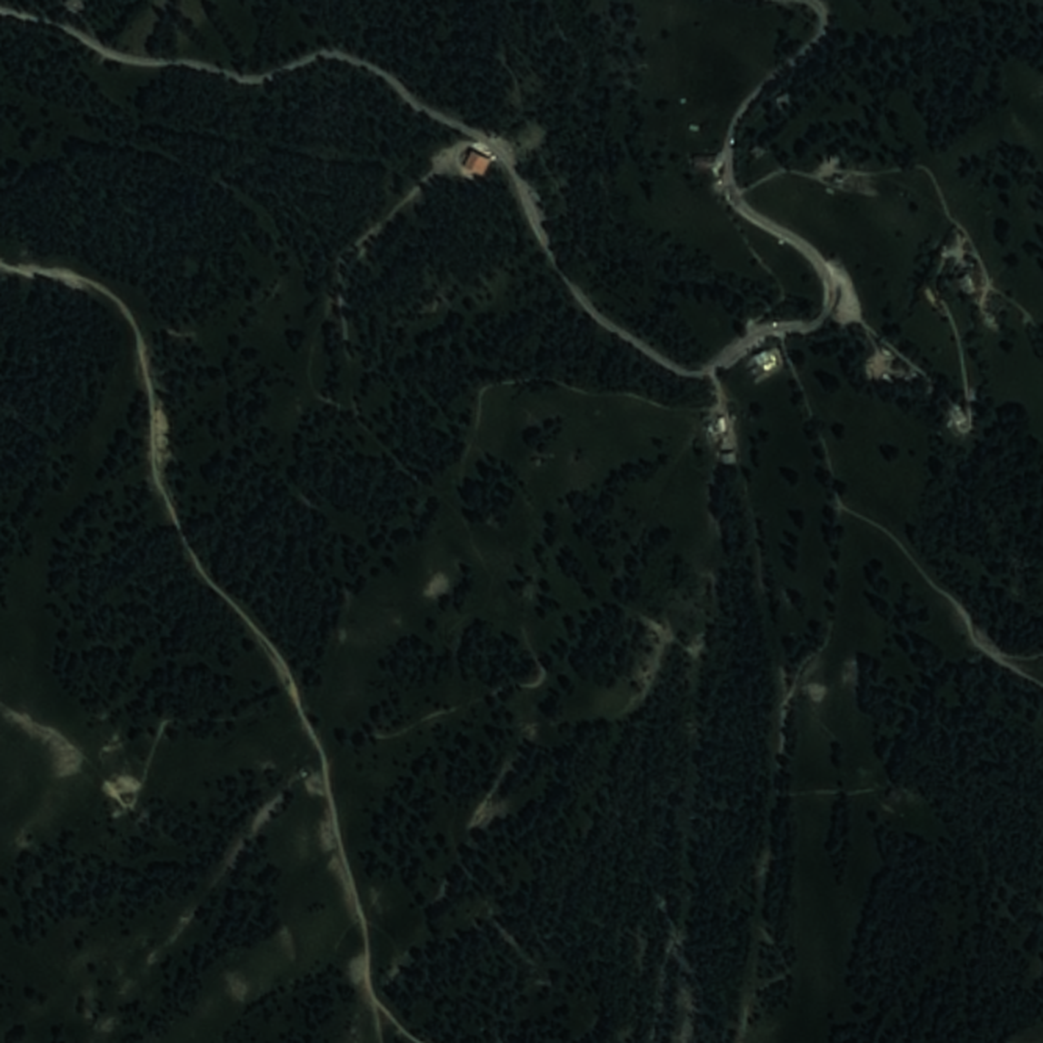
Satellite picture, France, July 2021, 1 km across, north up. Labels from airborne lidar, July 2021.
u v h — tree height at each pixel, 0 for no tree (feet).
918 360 50
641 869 58
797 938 0
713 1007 49
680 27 0
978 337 38
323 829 0
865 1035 46
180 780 0
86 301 48
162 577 52
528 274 59
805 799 0
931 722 80
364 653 0
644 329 35
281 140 20
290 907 0
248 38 0
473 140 0
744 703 49
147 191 62
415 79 72
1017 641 68
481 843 80
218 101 57
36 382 51
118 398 0
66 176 70
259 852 45
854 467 0
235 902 59
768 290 38
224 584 44
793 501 0
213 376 65
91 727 23
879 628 0
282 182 60
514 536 0
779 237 0
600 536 38
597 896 46
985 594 32
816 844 0
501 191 62
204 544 72
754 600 57
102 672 65
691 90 0
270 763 0
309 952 0
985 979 36
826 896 0
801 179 0
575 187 60
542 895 68
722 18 0
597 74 43
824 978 0
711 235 0
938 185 0
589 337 71
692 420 0
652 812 58
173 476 51
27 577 0
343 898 0
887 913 35
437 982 51
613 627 69
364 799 0
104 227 59
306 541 79
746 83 0
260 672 0
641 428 0
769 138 55
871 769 0
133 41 0
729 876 61
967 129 53
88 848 0
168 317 53
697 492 0
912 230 0
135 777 0
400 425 55
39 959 0
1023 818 53
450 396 87
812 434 53
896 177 0
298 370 0
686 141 0
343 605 48
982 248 0
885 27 0
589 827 0
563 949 57
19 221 21
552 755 50
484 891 83
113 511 23
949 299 50
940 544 29
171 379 34
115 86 0
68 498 0
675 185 0
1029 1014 49
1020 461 30
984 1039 44
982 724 72
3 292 35
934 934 47
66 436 48
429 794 30
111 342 56
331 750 0
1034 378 0
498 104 51
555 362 68
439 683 20
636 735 58
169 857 0
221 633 52
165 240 60
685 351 28
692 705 19
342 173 48
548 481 0
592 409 0
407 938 0
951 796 75
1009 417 58
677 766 35
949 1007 46
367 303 58
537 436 55
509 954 48
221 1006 0
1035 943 70
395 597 0
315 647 31
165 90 32
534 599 0
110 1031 0
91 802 0
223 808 23
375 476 71
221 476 73
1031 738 29
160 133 56
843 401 0
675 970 28
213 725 48
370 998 0
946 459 26
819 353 55
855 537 0
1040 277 0
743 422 0
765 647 40
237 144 50
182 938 0
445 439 93
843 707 0
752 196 0
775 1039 0
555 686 0
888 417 0
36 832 0
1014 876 66
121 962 0
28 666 0
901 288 0
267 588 54
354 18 76
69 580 66
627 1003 69
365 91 47
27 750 0
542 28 65
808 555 0
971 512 40
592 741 66
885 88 23
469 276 54
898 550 0
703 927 32
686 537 0
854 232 0
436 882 33
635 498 0
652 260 28
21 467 65
